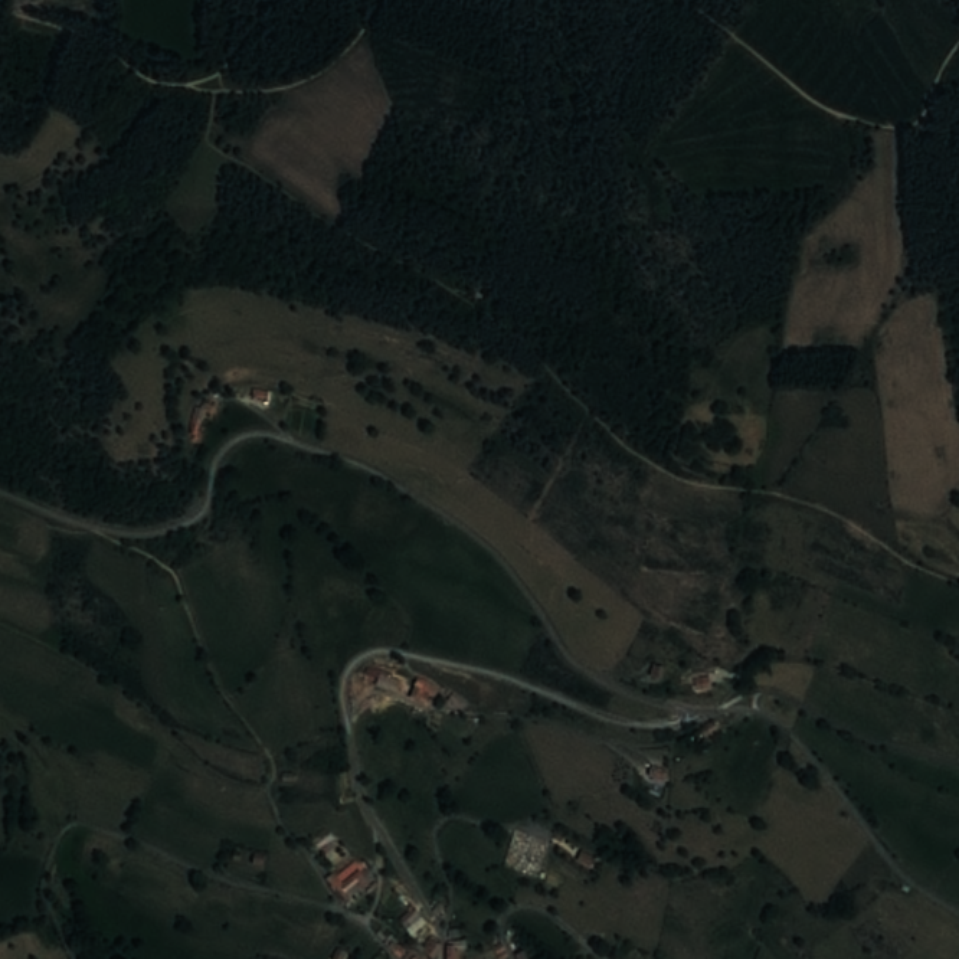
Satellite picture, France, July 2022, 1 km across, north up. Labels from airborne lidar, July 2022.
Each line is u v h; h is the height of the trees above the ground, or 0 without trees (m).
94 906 0
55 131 0
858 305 0
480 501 0
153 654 0
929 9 0
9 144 13
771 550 0
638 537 0
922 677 0
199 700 0
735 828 0
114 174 18
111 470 9
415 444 0
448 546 0
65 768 0
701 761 0
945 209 19
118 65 16
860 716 0
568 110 20
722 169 0
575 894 0
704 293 14
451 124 0
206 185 0
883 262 0
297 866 0
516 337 12
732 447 15
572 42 18
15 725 0
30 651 0
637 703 0
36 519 0
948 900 0
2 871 0
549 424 8
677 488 0
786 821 0
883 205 0
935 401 0
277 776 0
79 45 21
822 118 0
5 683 0
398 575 0
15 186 10
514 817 0
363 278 13
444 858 0
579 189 13
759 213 12
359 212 18
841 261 8
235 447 0
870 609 0
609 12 24
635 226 6
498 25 18
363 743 0
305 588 0
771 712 0
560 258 14
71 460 7
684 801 0
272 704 0
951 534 0
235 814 0
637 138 20
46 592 7
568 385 12
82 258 0
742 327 9
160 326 11
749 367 0
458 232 20
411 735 0
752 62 0
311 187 0
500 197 9
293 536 18
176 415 14
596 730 0
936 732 0
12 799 16
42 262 0
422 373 0
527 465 0
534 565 0
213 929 0
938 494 0
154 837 0
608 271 15
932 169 21
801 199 12
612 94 15
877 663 0
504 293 20
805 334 0
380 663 0
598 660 0
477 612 0
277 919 0
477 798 0
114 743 0
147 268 14
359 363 14
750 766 0
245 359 0
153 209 9
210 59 10
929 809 0
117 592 0
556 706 9
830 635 0
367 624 0
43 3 0
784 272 19
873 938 0
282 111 0
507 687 0
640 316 14
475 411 0
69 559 6
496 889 0
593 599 0
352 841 0
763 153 0
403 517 0
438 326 17
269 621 0
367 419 0
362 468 0
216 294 0
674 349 9
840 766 0
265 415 0
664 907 0
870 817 8
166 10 0
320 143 0
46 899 10
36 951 0
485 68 16
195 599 0
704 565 0
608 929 0
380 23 18
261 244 15
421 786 0
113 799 0
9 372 9
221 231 12
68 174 9
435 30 19
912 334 0
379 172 12
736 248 20
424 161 9
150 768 0
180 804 0
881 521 0
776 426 0
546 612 0
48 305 0
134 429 0
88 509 6
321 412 12
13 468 12
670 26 21
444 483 0
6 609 0
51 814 0
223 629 0
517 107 18
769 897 0
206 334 0
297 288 11
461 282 7
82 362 15
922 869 0
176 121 14
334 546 15
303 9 17
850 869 0
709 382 0
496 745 0
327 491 0
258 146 0
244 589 0
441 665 0
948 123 17
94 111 17
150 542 10
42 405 10
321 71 11
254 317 0
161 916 0
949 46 0
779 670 0
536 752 0
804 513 0
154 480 8
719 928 0
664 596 0
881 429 0
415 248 19
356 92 0
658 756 0
